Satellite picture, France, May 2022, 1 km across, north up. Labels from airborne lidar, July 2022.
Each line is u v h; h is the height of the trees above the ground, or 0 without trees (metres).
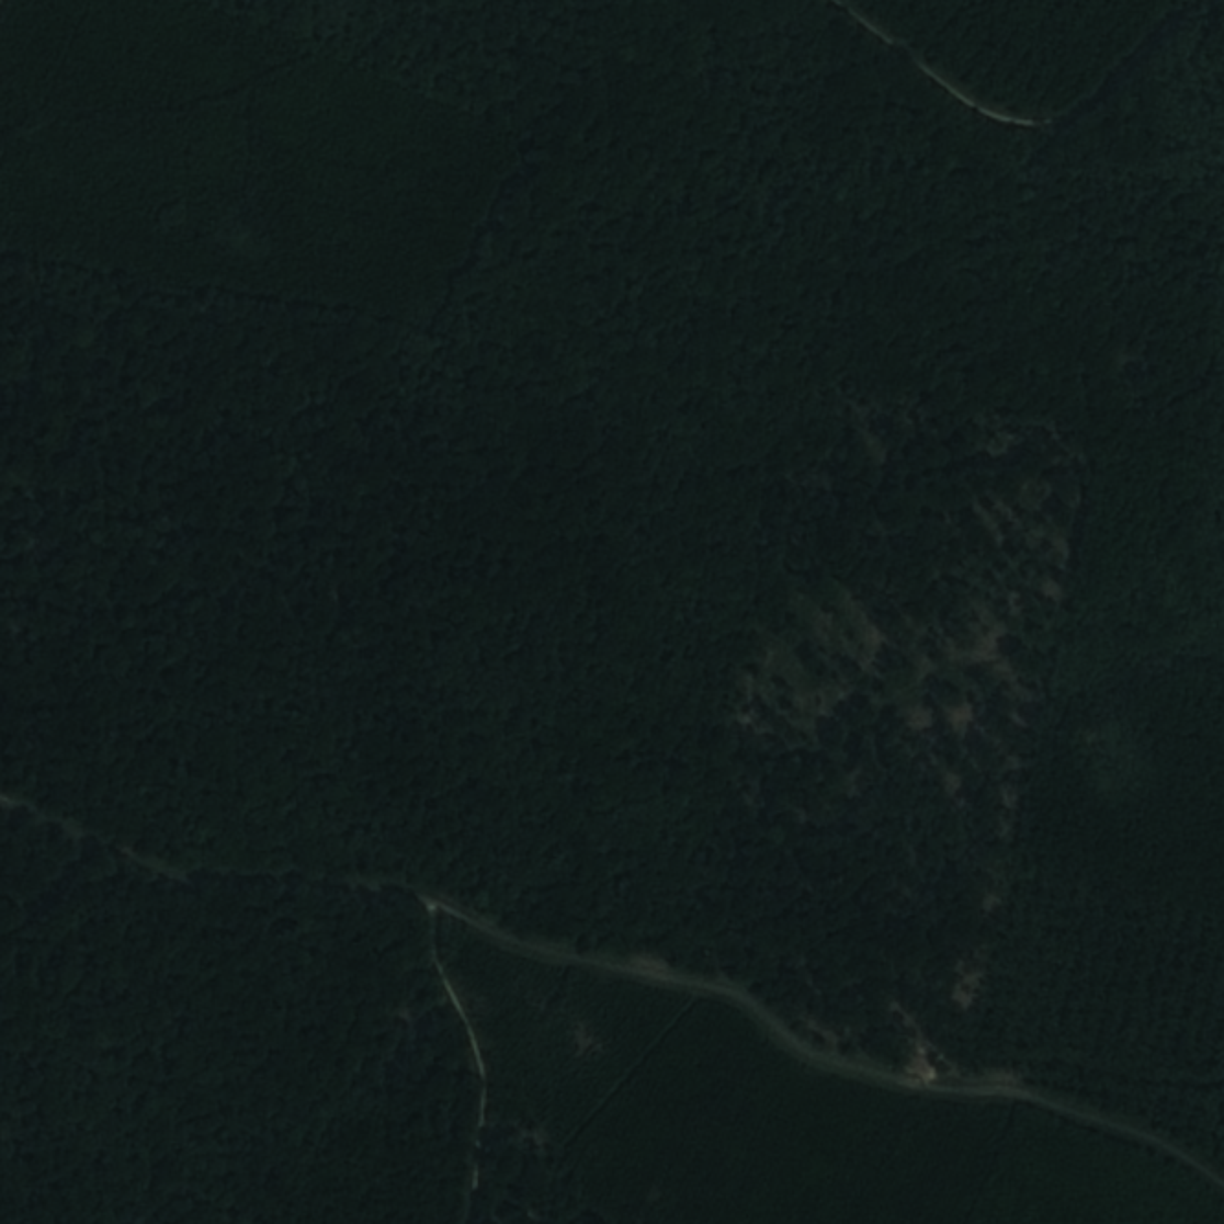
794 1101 7
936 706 21
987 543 24
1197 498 21
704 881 26
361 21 27
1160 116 29
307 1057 25
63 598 28
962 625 27
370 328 25
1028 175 23
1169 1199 12
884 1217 5
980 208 24
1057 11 17
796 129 22
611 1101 6
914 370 23
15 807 0
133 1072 24
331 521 31
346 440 27
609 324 20
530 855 24
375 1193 17
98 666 21
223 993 23
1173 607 20
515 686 25
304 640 30
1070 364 25
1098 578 19
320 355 27
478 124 11
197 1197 15
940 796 25
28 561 28
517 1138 21
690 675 20
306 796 25
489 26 29
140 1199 25
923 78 20
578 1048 7
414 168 11
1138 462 20
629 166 31
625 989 6
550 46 29
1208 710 18
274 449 25
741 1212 6
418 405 25
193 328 26
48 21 10
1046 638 28
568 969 6
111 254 14
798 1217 6
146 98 11
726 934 26
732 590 24
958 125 22
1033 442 27
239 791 28
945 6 18
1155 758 18
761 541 17
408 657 28
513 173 8
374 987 24
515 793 22
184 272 13
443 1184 17
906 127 24
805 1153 7
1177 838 19
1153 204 23
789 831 30
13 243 12
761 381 28
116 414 28
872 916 29
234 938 27
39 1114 26
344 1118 20
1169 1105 18
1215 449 23
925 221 24
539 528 29
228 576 25
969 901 31
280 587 28
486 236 22
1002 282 24
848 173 22
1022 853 13
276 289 11
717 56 27
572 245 26
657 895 22
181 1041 26
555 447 29
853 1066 0
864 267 24
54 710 27
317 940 28
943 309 24
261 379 24
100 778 26
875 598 25
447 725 29
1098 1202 12
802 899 26
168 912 27
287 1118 21
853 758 26
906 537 25
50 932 30
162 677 25
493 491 28
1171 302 27
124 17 13
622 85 33
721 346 28
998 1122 6
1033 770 17
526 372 21
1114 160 27
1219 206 29
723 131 23
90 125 12
